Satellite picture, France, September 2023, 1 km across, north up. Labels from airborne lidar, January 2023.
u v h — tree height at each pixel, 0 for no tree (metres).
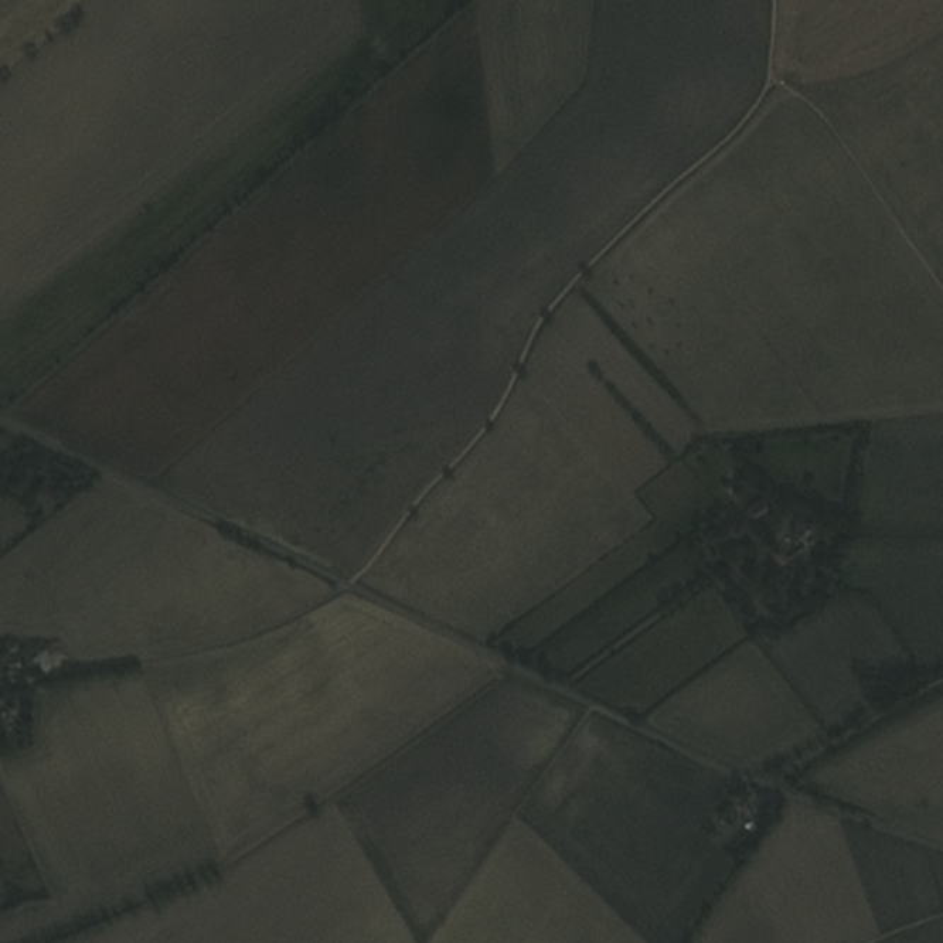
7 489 8
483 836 0
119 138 0
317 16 0
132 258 0
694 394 0
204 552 0
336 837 0
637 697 0
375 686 0
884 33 0
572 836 0
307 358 0
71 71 0
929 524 0
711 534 14
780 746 0
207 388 0
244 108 0
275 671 0
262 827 0
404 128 0
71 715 0
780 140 0
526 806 0
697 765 0
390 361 0
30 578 0
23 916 0
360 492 0
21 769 0
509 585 0
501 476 0
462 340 0
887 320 0
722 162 0
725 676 0
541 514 0
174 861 0
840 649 0
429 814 0
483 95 0
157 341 0
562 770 0
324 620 0
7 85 0
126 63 0
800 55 0
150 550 0
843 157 0
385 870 0
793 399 0
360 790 0
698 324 0
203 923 0
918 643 0
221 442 0
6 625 0
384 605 0
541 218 0
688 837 0
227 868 0
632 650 0
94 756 0
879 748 0
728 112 0
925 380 0
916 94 0
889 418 0
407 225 0
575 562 0
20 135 0
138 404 0
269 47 0
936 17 0
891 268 0
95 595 0
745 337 0
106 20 0
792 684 0
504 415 0
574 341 0
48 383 0
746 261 0
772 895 0
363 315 0
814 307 0
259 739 0
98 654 0
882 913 0
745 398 0
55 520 0
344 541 0
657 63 0
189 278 0
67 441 0
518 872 0
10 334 0
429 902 0
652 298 0
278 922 0
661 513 0
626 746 0
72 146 0
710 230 0
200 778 0
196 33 0
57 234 0
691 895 0
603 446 0
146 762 0
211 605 0
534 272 0
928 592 0
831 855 0
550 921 0
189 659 0
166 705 0
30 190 0
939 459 0
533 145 0
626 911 0
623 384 0
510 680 0
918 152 0
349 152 0
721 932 0
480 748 0
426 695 0
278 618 0
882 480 0
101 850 0
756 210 0
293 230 0
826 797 16
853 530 12
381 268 0
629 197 0
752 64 0
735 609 10
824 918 0
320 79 0
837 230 0
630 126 0
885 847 0
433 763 0
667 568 0
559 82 0
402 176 0
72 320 0
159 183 0
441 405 0
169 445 0
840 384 0
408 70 0
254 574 0
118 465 0
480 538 0
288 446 0
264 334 0
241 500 0
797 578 18
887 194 0
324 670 0
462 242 0
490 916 0
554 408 0
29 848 0
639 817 0
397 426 0
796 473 0
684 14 0
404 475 0
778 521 0
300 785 0
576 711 0
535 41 0
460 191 0
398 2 0
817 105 0
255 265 0
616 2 0
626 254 0
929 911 0
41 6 0
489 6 0
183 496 0
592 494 0
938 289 0
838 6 0
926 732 0
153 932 0
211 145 0
